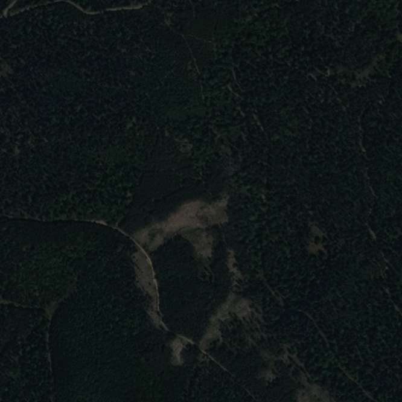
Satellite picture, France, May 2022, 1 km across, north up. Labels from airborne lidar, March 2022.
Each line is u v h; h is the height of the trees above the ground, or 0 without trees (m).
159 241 0
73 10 9
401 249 31
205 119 12
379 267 28
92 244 16
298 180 10
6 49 28
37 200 29
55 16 18
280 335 13
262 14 21
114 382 10
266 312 24
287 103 27
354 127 32
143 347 9
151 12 7
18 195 29
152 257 15
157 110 7
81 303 14
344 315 15
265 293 21
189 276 17
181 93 6
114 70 6
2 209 23
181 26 13
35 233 19
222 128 17
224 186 19
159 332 20
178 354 0
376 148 28
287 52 21
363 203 31
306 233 39
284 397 18
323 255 25
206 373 22
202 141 21
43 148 23
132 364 12
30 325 23
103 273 15
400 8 18
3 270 23
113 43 7
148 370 8
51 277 8
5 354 22
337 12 20
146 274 0
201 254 0
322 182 22
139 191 16
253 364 15
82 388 10
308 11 19
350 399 23
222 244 20
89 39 18
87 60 8
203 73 7
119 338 15
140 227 19
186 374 13
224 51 8
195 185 18
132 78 7
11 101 33
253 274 13
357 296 31
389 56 30
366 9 23
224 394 18
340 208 27
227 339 17
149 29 12
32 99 9
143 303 21
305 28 32
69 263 9
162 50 6
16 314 24
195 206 0
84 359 12
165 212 21
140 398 12
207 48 6
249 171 22
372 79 26
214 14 6
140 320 16
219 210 0
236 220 19
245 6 17
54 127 25
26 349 14
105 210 13
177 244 17
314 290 27
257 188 25
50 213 16
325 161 23
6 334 26
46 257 9
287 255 10
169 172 12
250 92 29
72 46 18
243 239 16
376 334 21
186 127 22
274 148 27
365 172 6
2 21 11
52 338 12
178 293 18
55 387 8
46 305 8
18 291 12
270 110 29
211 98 7
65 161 19
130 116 10
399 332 31
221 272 19
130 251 19
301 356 17
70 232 15
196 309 19
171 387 16
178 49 10
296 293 36
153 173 15
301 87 28
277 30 27
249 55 36
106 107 11
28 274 9
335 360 17
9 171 14
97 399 8
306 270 25
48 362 23
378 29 23
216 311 16
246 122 23
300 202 19
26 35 27
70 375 12
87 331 13
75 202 21
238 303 0
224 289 19
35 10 8
